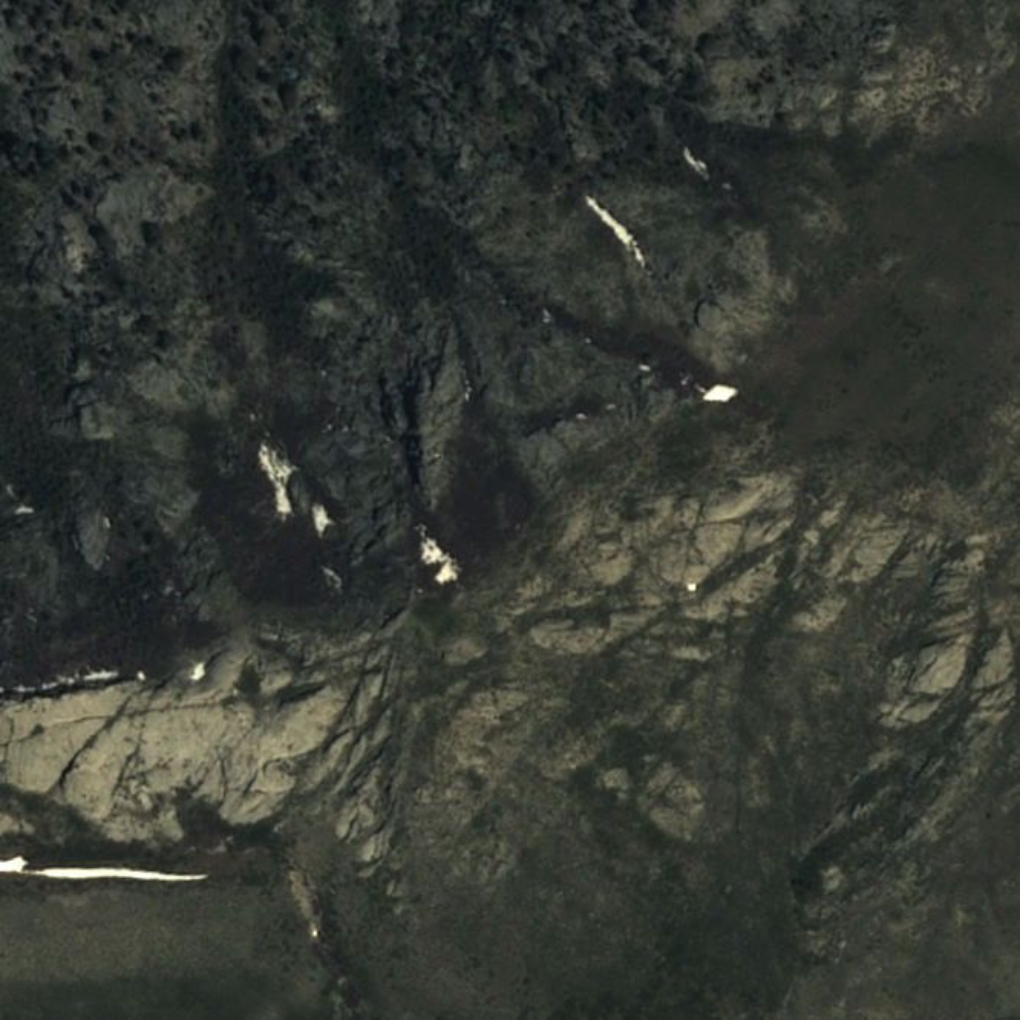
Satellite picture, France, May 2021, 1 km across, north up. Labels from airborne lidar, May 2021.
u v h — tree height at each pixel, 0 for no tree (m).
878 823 0
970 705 0
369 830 0
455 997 0
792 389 0
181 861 0
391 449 0
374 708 0
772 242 0
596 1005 0
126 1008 0
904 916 0
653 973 0
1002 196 0
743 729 0
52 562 0
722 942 0
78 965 0
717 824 0
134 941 0
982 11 0
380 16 0
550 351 0
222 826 0
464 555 0
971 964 0
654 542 0
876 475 0
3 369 0
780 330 0
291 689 0
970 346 0
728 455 0
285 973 0
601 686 0
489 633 0
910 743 0
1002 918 0
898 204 0
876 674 0
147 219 0
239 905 0
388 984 0
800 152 0
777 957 0
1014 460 0
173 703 0
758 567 0
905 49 0
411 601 0
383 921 0
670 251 0
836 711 0
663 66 9
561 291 0
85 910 0
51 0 12
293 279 13
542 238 0
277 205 23
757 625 0
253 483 0
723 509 0
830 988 0
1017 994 0
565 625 0
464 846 0
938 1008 0
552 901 0
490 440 0
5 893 0
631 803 0
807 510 0
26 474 9
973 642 0
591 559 0
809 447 0
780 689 0
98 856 0
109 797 0
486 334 0
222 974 0
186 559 0
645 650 0
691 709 0
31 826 0
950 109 0
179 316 0
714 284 0
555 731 0
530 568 0
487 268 6
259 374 0
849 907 0
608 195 0
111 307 11
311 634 0
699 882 0
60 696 0
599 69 0
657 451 0
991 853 0
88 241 0
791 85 0
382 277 7
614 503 0
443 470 0
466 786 0
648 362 12
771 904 0
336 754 0
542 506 0
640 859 0
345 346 0
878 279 0
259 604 0
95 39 0
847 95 0
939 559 0
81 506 0
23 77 15
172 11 0
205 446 0
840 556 0
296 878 0
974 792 0
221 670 0
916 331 0
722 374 0
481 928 0
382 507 0
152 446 0
